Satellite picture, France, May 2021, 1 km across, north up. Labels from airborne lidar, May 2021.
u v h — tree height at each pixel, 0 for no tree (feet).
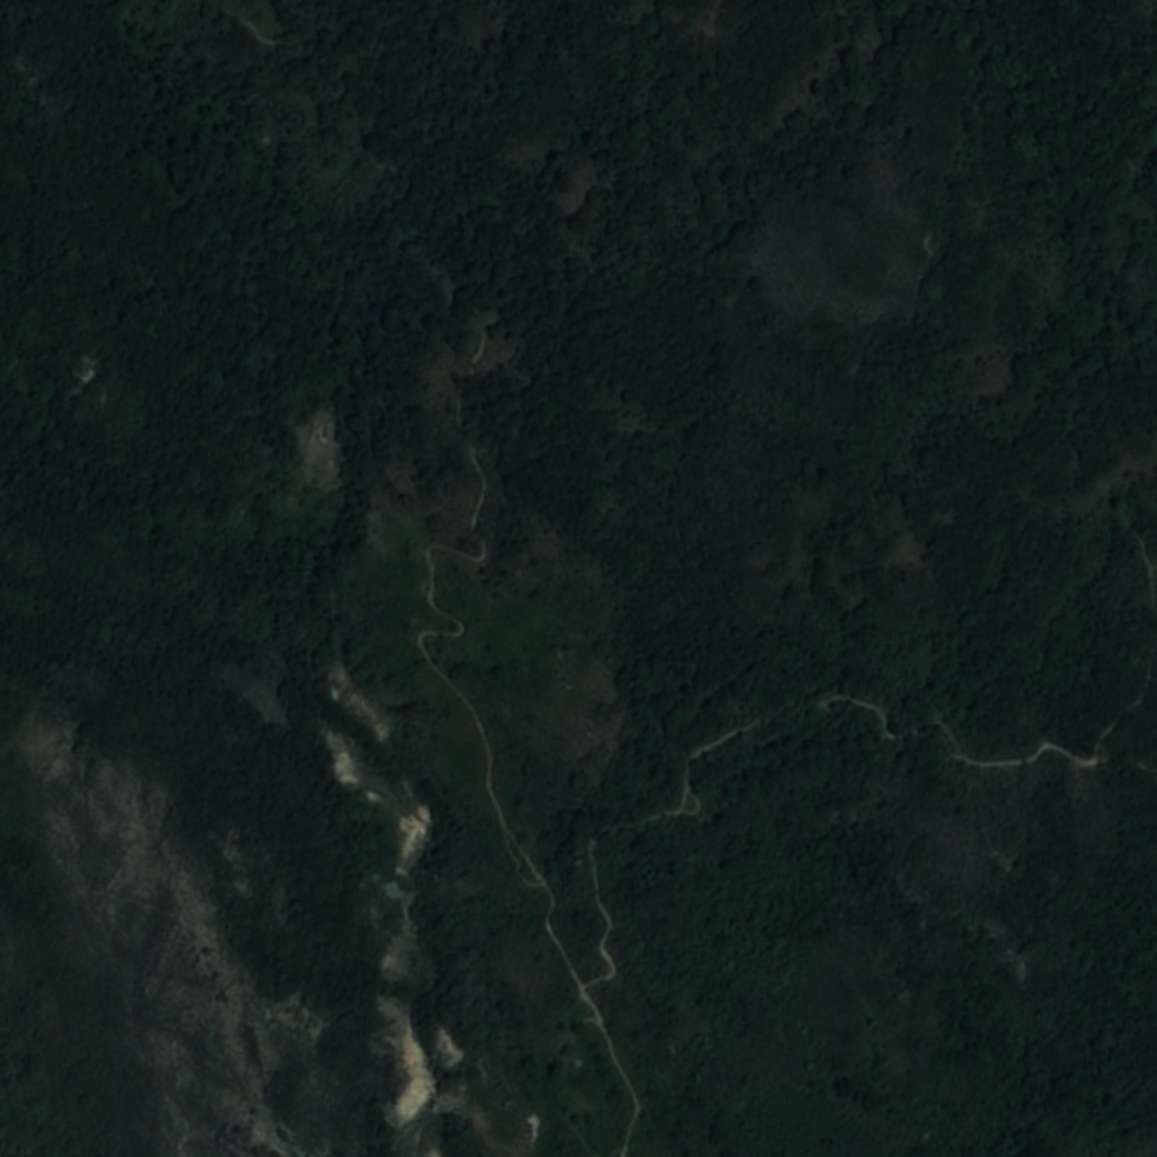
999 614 27
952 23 64
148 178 70
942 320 21
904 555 0
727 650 32
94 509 68
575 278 57
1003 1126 25
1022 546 24
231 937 20
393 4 35
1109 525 22
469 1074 26
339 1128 17
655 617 21
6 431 64
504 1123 0
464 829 26
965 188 20
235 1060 0
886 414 23
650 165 22
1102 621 31
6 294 44
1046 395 25
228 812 21
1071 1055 20
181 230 58
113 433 40
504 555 25
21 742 0
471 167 24
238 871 25
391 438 41
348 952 29
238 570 51
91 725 51
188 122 53
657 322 37
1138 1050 26
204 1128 0
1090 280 57
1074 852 18
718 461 22
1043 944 37
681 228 24
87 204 54
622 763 21
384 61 45
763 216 38
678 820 20
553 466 31
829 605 28
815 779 22
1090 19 63
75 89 61
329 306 58
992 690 26
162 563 35
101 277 60
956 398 19
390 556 0
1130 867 47
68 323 27
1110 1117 32
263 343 48
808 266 0
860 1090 22
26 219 35
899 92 25
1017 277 18
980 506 32
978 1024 26
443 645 28
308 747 22
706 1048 27
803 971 22
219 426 43
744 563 25
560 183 56
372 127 30
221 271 44
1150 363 53
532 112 22
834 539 58
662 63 31
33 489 41
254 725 41
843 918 18
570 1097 0
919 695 27
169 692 27
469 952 37
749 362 19
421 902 21
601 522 22
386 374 46
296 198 23
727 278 26
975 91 32
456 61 24
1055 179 53
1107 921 21
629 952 24
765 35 19
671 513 36
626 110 24
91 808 0
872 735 30
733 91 22
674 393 41
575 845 22
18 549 22
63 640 22
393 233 46
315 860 26
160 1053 0
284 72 28
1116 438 29
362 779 0
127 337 37
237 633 26
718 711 27
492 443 18
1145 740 26
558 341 47
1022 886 25
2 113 63
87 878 0
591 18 35
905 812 23
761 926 25
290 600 34
